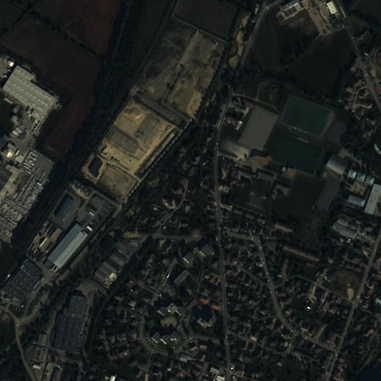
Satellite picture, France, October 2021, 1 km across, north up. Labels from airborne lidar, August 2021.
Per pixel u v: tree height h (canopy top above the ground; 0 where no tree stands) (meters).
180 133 0
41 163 0
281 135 0
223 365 6
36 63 0
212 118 13
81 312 0
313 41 11
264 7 0
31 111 0
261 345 0
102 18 0
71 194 0
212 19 0
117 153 0
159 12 0
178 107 0
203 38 0
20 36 0
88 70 0
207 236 0
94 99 0
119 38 21
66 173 18
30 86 0
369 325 7
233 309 10
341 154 0
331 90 0
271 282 0
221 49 0
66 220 0
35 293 0
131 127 0
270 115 0
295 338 0
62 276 0
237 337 0
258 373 0
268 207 0
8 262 0
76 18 0
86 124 0
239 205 0
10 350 0
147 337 0
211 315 0
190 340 0
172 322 0
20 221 0
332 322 11
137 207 0
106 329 6
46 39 0
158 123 0
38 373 0
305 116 0
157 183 0
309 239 0
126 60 7
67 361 0
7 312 0
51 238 0
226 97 14
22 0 0
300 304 0
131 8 6
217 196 0
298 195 0
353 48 0
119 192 0
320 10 0
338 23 16
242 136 0
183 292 11
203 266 0
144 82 0
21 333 0
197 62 0
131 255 0
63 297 16
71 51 0
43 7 0
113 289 12
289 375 9
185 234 13
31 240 0
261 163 0
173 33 0
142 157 0
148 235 0
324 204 0
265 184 9
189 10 0
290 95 0
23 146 0
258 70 20
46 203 17
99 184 0
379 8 0
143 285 0
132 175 0
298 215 0
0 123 0
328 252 9
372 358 0
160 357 8
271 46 0
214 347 15
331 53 0
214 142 0
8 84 0
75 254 0
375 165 13
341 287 0
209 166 9
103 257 20
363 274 6
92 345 9
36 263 0
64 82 0
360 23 31
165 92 0
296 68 0
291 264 12
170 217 0
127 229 0
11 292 0
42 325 11
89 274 8
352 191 0
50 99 0
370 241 0
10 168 0
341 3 0
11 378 19
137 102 0
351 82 0
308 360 11
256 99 0
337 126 0
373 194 0
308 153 0
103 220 0
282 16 0
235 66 0
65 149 0
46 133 0
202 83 0
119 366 12
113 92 14
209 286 6
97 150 0
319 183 0
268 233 8
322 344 0
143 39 0
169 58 0
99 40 0
